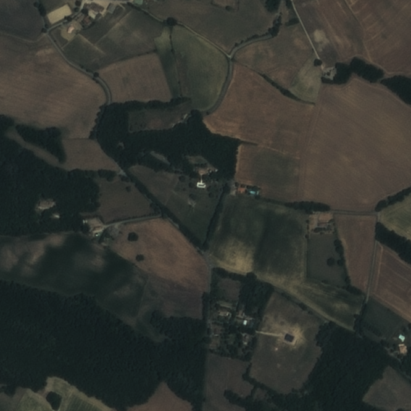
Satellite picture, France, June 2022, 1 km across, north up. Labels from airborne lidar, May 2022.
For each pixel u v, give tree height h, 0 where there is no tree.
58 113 0
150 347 19
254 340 13
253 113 0
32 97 0
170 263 0
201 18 0
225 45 0
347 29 0
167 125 0
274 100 0
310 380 7
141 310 0
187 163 15
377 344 16
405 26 0
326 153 0
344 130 0
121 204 0
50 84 0
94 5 0
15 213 20
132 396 17
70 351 19
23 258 0
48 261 0
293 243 0
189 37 0
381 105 0
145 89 0
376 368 13
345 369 16
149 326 0
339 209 0
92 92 0
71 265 0
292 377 0
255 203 0
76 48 0
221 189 8
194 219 0
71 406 0
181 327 16
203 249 11
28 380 16
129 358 17
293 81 0
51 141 19
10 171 24
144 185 13
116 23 0
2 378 17
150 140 15
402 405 0
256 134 0
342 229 0
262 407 9
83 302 13
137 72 0
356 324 11
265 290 21
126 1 0
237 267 0
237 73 0
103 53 0
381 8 0
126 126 12
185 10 0
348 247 0
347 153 0
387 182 0
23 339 20
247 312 14
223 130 0
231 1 0
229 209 0
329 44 0
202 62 0
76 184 22
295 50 0
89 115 0
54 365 16
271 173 0
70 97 0
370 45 0
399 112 0
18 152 18
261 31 0
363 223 0
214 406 0
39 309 19
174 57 0
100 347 18
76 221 16
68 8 0
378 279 0
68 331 19
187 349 20
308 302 0
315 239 0
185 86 0
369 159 0
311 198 0
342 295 0
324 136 0
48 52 0
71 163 0
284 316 0
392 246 13
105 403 9
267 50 0
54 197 21
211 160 12
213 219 13
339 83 18
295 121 0
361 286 0
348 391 19
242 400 14
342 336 14
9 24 0
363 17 0
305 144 0
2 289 24
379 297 0
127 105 19
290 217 0
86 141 0
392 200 12
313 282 0
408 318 0
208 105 0
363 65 15
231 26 0
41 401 0
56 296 21
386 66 0
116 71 0
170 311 0
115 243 0
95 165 0
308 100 0
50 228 19
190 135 15
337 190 0
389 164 0
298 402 10
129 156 19
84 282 0
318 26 0
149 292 0
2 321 18
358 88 0
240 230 0
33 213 19
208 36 0
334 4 0
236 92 0
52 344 14
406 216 0
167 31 0
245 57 0
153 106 8
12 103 0
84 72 0
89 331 22
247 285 9
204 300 14
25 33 0
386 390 0
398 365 15
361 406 14
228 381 0
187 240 0
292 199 0
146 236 0
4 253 0
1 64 0
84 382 14
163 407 0
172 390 13
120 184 0
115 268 0
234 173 16
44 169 25
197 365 18
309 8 0
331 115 0
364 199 0
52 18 0
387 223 0
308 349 0
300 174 0
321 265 0
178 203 0
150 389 17
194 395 17
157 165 17
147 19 0
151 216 8
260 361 0
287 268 0
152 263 0
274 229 0
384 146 0
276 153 0
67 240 0
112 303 0
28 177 25
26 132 19
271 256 0
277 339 0
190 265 0
